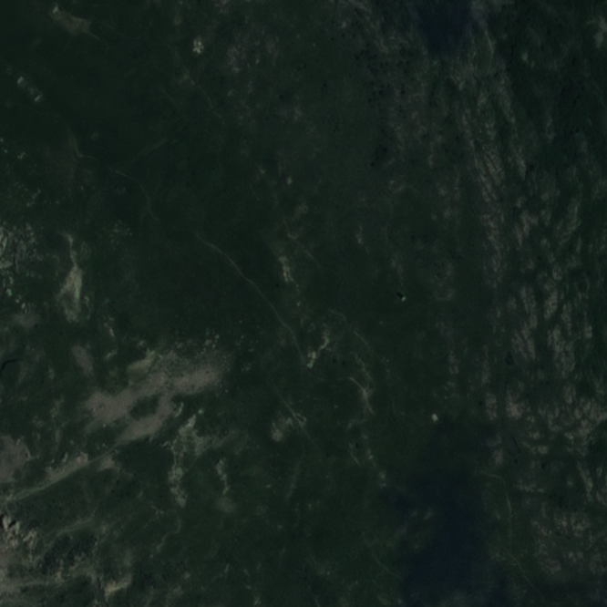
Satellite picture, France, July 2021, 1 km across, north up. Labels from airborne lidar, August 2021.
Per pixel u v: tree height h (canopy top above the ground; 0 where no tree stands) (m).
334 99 0
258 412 0
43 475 0
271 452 0
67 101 0
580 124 9
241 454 0
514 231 0
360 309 0
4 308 0
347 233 0
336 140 0
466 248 0
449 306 0
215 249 0
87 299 0
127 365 0
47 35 0
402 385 0
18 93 0
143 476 0
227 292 0
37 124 0
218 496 0
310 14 0
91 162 0
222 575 0
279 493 0
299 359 0
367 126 0
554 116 8
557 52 7
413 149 0
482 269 0
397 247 0
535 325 0
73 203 0
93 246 0
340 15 0
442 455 0
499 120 8
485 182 0
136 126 0
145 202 0
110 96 0
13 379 0
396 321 0
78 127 0
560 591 0
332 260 0
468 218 0
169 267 0
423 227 0
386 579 0
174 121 0
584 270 6
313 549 0
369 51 6
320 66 0
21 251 0
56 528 0
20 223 0
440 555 0
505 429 0
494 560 0
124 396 0
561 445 0
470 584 0
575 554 0
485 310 0
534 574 0
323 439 0
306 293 0
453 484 0
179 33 0
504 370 0
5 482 0
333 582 0
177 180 0
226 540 0
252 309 0
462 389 0
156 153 0
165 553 0
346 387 0
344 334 0
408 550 0
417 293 0
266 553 0
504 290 0
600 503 0
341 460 0
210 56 0
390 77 0
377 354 0
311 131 0
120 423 0
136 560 0
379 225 0
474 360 0
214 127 0
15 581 0
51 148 0
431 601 0
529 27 6
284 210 0
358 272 0
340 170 0
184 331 0
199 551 0
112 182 0
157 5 0
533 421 0
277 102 0
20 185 0
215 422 0
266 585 0
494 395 0
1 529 0
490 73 20
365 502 0
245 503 0
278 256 0
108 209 0
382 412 0
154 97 0
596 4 8
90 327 0
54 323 0
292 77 0
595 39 9
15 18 0
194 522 0
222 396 0
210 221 0
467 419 0
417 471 0
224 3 0
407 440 0
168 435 0
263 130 0
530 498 0
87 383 0
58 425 0
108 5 0
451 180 0
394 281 0
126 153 0
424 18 7
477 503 0
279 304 0
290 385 0
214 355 0
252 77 0
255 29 0
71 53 0
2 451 0
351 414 0
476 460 0
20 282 0
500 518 0
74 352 0
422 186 0
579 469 0
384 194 0
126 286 0
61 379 0
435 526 0
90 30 0
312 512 0
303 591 0
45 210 0
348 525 0
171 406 0
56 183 0
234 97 0
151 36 0
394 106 0
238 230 0
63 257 0
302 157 0
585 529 0
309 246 0
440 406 0
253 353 0
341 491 0
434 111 0
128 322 0
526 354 0
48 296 0
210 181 0
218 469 0
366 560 0
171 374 0
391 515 0
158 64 0
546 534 0
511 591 0
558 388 0
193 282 0
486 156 0
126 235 0
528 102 9
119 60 0
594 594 0
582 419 0
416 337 0
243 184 0
